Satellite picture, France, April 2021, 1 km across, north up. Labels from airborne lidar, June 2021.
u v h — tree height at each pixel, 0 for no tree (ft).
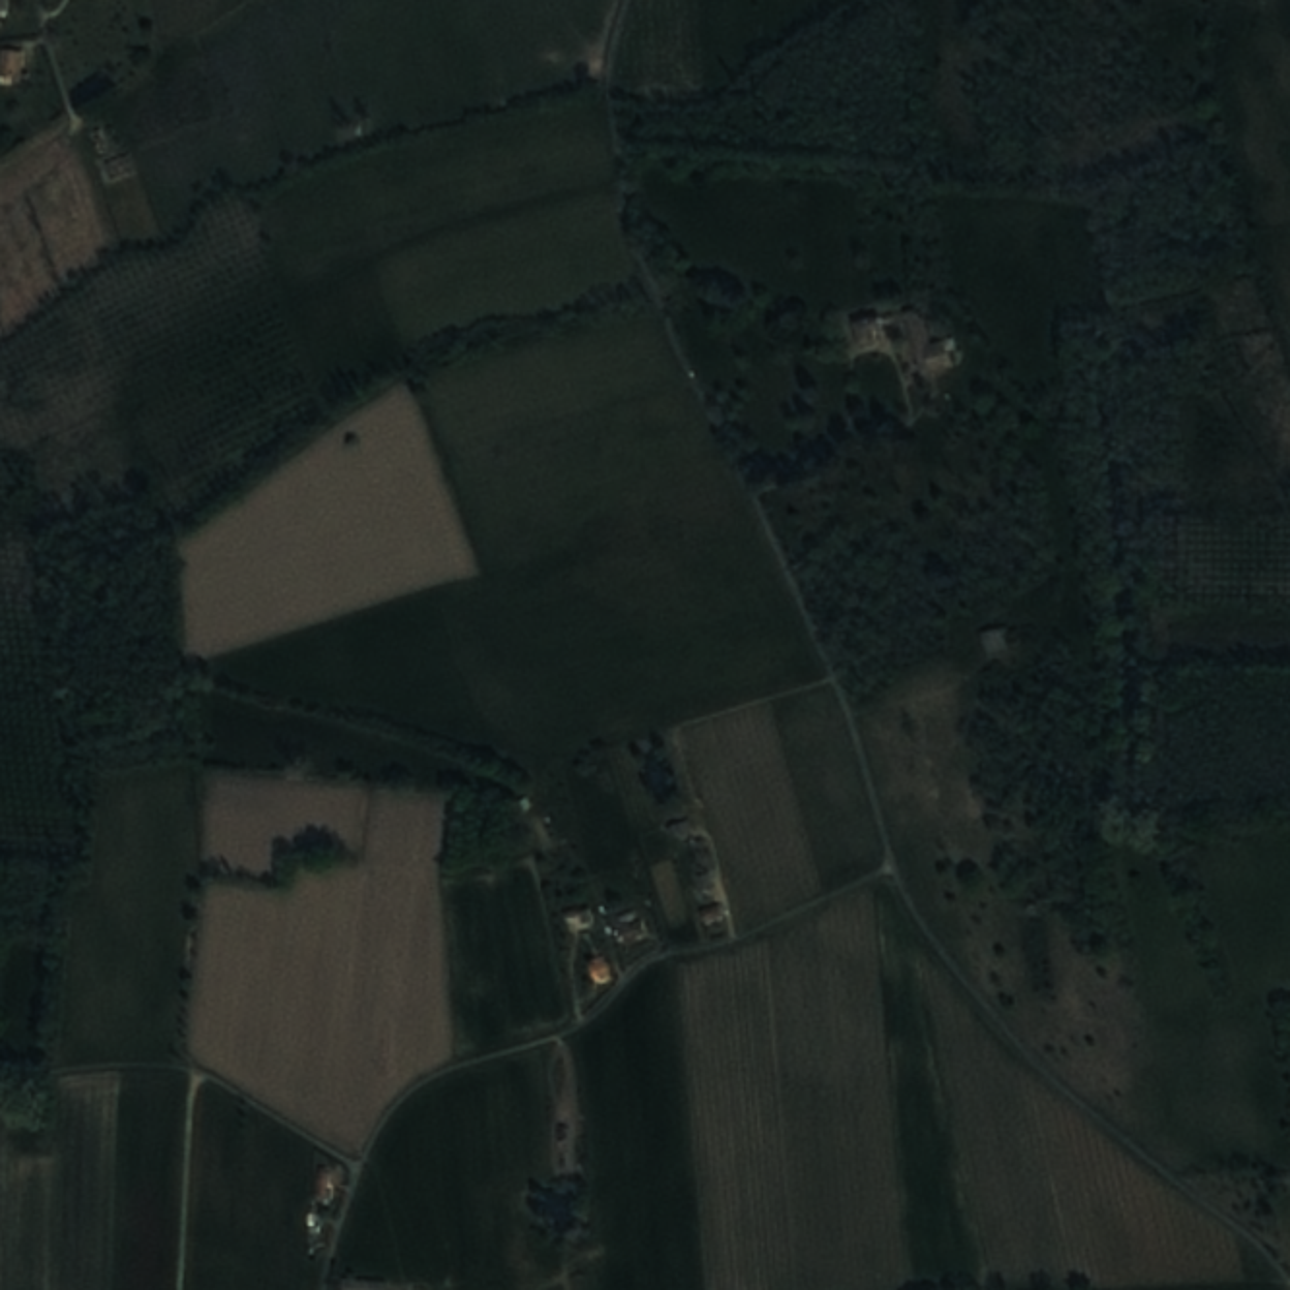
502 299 0
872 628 53
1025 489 33
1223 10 0
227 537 0
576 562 0
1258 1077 0
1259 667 74
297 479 0
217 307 58
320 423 75
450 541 0
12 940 60
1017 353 0
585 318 48
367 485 0
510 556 0
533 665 0
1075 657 47
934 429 0
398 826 0
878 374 0
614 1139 0
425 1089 0
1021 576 52
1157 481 82
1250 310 0
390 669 0
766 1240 0
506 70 0
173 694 79
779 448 0
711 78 0
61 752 81
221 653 0
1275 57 0
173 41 0
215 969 0
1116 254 59
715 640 0
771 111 54
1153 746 87
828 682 0
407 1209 0
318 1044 0
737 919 0
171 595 100
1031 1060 0
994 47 75
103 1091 0
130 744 48
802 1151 0
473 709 0
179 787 0
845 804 0
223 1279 0
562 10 0
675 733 0
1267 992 0
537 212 0
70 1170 0
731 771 0
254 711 0
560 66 0
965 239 0
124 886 0
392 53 0
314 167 29
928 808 0
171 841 0
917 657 49
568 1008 0
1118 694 71
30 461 21
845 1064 0
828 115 52
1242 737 80
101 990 0
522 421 0
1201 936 43
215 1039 0
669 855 0
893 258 0
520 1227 0
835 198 0
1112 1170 0
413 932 0
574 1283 0
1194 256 89
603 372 0
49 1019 76
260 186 23
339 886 0
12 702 79
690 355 0
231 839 0
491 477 0
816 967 0
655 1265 0
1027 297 0
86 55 0
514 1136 0
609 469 0
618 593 0
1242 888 0
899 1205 0
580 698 0
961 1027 0
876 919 0
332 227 0
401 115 0
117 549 86
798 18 0
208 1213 0
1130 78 55
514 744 0
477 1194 0
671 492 0
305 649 0
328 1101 0
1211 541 69
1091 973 0
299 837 0
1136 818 96
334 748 0
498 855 49
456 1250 0
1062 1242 0
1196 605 63
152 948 0
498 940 0
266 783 0
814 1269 0
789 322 61
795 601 0
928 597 31
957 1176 0
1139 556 60
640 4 0
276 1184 0
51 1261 0
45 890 53
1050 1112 0
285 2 0
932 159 62
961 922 0
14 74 0
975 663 0
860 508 0
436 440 0
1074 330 62
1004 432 57
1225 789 70
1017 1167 0
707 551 0
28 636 70
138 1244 0
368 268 0
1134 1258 0
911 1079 0
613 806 0
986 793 41
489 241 0
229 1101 0
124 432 0
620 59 0
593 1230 22
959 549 54
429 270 0
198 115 0
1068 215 0
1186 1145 0
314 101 0
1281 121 0
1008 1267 0
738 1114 0
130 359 63
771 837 0
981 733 48
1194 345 88
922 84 48
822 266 0
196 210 33
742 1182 0
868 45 60
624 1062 0
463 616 0
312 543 0
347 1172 0
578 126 0
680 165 73
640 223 54
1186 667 78
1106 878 61
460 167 0
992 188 43
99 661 106
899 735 0
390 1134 0
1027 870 40
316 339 0
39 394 66
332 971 0
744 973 0
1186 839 64
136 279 71
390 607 0
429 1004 0
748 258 0
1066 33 59
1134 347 47
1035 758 25
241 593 0
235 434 50
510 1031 0
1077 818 68
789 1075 0
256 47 0
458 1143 0
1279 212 0
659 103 47
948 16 0
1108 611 57
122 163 0
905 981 0
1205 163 80
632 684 0
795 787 0
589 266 0
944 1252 0
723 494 0
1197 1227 0
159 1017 0
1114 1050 0
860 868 0
